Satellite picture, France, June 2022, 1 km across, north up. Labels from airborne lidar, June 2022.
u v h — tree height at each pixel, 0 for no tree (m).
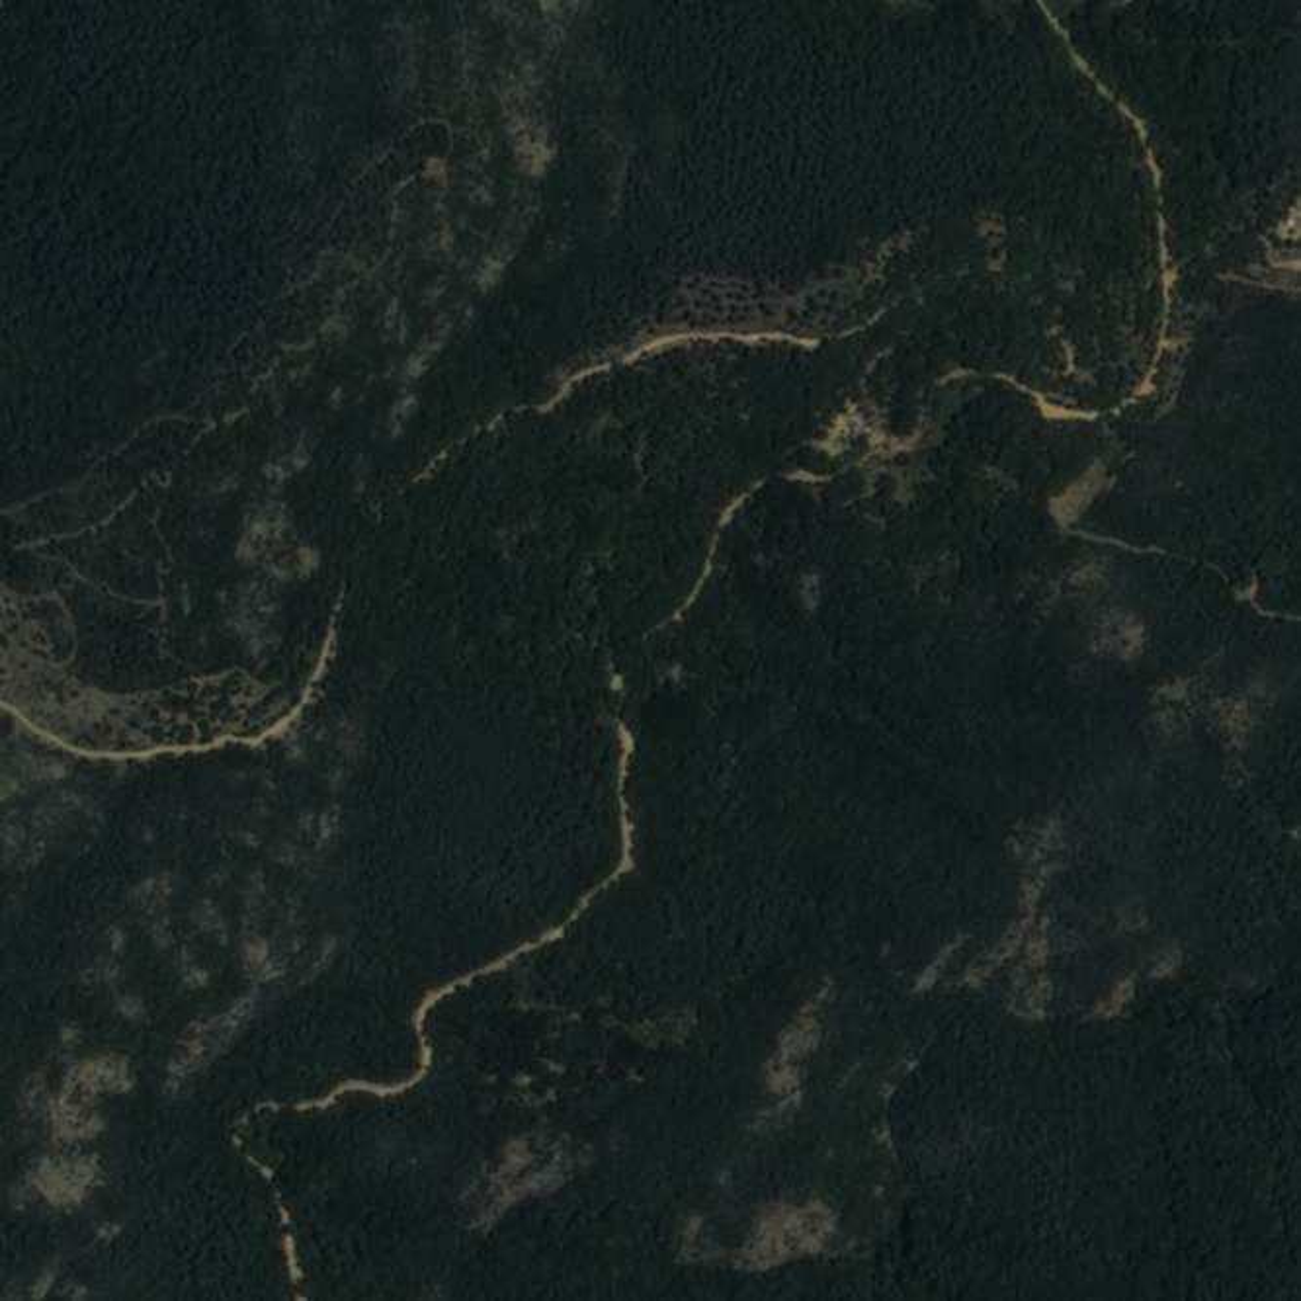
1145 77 14
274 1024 9
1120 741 6
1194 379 6
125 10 13
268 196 11
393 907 14
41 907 9
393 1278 9
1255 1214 16
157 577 6
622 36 14
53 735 0
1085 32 13
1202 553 8
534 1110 9
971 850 7
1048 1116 13
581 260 6
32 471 9
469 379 16
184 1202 10
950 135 11
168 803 13
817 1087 8
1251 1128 18
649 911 10
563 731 12
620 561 12
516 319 11
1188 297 9
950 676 8
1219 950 7
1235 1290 10
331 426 6
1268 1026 13
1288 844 16
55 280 18
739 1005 14
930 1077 7
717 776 9
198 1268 18
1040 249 12
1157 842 6
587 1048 12
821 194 15
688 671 9
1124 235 12
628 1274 8
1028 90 13
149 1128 7
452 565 17
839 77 15
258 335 9
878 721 12
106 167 6
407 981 10
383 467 9
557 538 13
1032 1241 7
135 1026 9
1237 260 12
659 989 14
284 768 10
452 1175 7
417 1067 8
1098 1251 10
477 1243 9
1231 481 9
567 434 14
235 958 9
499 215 6
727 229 17
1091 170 11
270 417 6
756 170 18
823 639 20
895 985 6
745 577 14
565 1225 12
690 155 13
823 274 14
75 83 13
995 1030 8
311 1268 12
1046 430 13
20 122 17
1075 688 5
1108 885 6
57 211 15
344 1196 8
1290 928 7
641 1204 6
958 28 11
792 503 16
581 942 14
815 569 7
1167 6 14
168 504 9
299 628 13
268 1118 14
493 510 13
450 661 15
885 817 7
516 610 17
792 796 11
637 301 15
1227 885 14
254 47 6
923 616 13
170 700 6
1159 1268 14
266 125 10
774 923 20
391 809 9
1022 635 9
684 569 17
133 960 10
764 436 15
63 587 8
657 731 13
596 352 6
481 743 13
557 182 6
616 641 18
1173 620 12
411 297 9
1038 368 12
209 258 14
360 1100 9
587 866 9
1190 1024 17
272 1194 16
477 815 11
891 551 14
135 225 10
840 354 13
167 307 12
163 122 8
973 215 12
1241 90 10
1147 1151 16
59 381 5
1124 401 11
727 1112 6
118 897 11
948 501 10
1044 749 7
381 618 15
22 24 6
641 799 7
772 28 19
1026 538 8
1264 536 15
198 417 7
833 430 13
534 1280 12
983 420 14
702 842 12
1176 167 15
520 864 18
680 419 14
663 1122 6
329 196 8
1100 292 9
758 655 17
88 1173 0
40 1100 6
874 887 8
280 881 8
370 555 17
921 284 10
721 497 13
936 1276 21
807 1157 7
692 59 14
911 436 14
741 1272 6
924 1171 7
